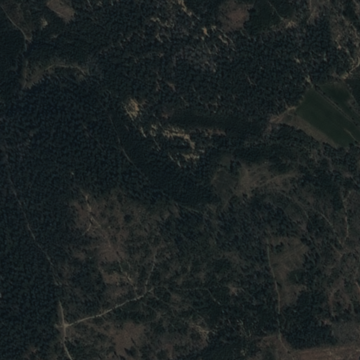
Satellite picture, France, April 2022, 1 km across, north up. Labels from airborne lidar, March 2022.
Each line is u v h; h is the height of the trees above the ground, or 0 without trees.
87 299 18
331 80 25
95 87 23
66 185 20
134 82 13
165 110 26
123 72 21
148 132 13
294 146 14
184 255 27
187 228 30
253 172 0
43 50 22
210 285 6
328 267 21
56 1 0
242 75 24
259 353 14
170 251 6
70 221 17
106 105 18
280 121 0
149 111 20
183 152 25
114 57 13
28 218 16
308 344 13
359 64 0
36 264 21
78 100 26
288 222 27
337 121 0
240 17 0
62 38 23
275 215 23
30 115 25
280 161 7
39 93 25
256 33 16
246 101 19
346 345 10
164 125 19
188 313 7
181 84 28
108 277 0
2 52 15
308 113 0
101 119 28
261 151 7
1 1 10
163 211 29
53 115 20
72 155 19
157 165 14
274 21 6
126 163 31
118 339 0
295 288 0
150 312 9
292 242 0
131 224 30
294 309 8
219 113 21
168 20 10
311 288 9
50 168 23
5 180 17
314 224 7
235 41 21
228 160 0
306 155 9
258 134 15
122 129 11
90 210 0
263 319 6
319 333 19
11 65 8
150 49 19
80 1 15
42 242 18
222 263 8
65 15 0
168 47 21
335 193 8
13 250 13
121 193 31
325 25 14
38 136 10
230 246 25
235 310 6
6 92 17
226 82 22
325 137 0
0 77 15
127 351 0
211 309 11
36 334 25
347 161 19
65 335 0
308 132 0
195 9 12
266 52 20
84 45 24
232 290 0
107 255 0
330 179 13
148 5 18
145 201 27
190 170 15
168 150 21
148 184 19
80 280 21
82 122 21
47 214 26
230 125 14
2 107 19
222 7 16
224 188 0
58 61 20
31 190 15
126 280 0
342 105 0
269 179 0
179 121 12
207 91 26
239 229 24
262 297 27
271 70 22
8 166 17
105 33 29
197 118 12
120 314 10
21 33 13
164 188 15
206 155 11
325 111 0
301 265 0
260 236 22
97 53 22
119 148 14
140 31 10
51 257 18
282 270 0
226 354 8
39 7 12
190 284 7
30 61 23
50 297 16
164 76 22
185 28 19
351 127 0
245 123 14
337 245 6
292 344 18
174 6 8
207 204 12
